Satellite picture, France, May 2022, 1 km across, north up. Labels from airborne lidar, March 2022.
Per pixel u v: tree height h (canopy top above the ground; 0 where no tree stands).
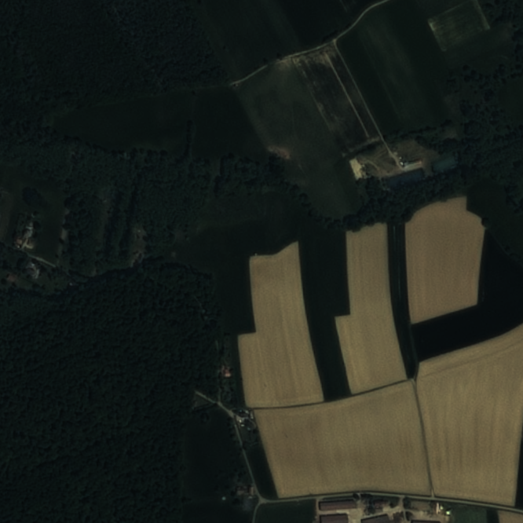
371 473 0
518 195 22
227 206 0
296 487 0
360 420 0
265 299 0
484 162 19
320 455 0
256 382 0
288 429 0
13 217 0
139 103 0
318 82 0
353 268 0
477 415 0
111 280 23
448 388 0
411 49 0
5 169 0
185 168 17
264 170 13
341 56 0
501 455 0
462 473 0
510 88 0
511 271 0
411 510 0
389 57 0
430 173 0
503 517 0
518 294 0
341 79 0
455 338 0
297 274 0
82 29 14
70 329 28
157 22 18
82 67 18
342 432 0
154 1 21
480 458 0
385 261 0
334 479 0
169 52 20
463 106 6
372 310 0
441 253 0
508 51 0
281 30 0
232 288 0
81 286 23
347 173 0
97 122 0
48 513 28
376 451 0
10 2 19
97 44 16
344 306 0
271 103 0
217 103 0
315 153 0
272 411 0
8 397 31
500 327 0
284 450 0
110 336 29
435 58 0
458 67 0
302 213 0
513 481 0
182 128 0
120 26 20
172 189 23
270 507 0
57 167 24
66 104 15
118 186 21
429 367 0
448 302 0
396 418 0
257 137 0
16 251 9
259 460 0
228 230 0
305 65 0
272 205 0
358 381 0
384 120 0
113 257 25
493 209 0
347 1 0
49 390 29
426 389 0
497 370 0
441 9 0
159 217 24
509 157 20
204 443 0
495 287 0
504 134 0
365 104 0
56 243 0
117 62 15
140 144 0
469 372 0
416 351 0
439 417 0
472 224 0
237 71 0
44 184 0
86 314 28
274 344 0
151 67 17
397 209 22
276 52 0
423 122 0
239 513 0
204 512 0
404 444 0
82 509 31
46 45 16
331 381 0
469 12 0
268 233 0
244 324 0
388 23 0
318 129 0
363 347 0
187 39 17
